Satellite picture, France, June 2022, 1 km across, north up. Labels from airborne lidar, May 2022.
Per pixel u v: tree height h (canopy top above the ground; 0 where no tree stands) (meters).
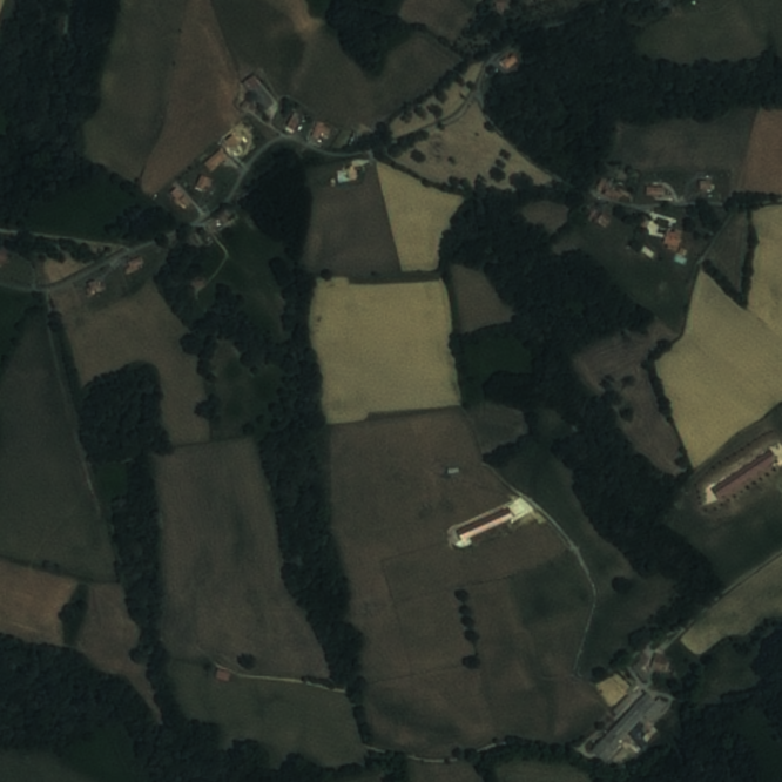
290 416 9
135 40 0
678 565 15
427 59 0
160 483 0
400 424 0
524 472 0
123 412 9
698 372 0
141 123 0
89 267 0
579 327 22
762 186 0
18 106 16
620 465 22
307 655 0
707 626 0
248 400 0
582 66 25
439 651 0
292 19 0
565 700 0
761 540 0
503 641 0
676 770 26
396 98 0
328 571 21
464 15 0
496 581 0
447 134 0
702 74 25
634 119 19
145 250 0
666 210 13
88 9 26
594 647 0
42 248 16
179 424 0
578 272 14
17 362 0
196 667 0
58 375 0
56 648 13
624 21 16
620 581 15
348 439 0
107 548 0
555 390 24
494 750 11
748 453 0
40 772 0
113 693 21
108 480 0
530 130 15
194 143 0
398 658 0
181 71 0
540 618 0
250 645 0
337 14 24
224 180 0
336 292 0
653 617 8
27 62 26
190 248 14
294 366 19
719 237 0
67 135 22
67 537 0
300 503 17
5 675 31
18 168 15
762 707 13
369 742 14
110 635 0
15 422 0
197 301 0
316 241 0
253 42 0
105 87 0
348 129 0
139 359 0
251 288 0
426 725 0
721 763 21
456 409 0
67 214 0
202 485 0
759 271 0
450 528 0
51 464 0
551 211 0
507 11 6
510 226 22
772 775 0
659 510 24
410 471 0
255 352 14
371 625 0
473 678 0
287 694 0
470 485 0
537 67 23
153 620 19
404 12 0
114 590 0
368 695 0
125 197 0
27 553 0
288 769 19
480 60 13
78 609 11
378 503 0
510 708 0
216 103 0
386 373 0
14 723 15
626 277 0
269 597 0
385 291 0
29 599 0
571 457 21
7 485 0
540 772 0
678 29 0
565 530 0
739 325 0
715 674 0
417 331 0
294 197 17
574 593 0
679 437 0
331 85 0
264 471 8
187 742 25
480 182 15
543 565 0
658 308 0
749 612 0
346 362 0
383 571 0
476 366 0
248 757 25
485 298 0
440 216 0
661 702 0
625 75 27
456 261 14
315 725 0
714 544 0
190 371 0
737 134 0
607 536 20
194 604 0
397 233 0
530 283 23
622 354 0
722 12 0
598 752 0
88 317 0
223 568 0
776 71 23
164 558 0
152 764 11
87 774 0
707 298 0
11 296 0
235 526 0
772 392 0
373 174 0
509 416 0
